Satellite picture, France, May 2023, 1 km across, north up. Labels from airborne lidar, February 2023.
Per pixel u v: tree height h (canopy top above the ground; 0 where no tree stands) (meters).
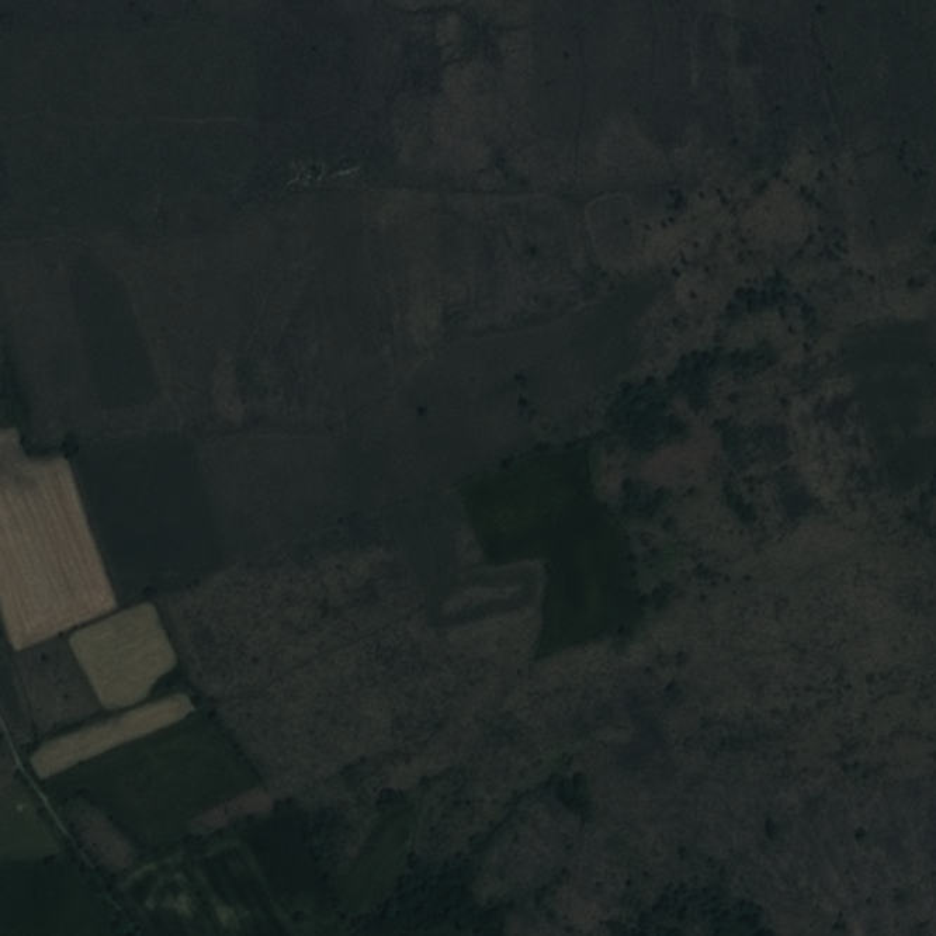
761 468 0
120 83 0
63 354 0
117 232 0
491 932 14
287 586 0
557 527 0
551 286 0
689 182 0
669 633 0
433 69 0
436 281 0
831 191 0
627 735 0
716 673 0
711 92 0
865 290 0
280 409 0
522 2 0
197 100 0
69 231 0
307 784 0
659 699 0
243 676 0
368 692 0
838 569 0
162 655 0
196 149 0
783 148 0
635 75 0
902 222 0
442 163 0
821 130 0
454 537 0
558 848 0
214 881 0
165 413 0
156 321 0
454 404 0
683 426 6
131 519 0
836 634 0
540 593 0
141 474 0
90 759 0
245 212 0
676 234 0
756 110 0
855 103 0
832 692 0
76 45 0
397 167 0
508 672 0
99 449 0
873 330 0
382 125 0
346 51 0
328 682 0
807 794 0
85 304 0
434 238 0
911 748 0
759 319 0
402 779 0
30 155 0
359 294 0
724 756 0
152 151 0
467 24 0
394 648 0
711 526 0
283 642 0
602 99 0
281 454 0
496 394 0
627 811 0
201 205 0
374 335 0
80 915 0
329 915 0
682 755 0
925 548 0
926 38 0
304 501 0
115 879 9
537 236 0
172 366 0
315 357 0
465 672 0
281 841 0
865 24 0
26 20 0
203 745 0
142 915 0
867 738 0
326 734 0
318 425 0
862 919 0
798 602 0
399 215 0
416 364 0
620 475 0
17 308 0
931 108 0
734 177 0
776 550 0
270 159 0
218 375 0
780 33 0
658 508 7
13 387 0
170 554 0
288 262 0
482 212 0
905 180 0
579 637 0
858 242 0
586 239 0
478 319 0
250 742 0
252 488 0
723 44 0
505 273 0
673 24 0
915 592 0
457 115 0
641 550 0
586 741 0
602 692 0
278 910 0
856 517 0
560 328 0
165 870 0
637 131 0
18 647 0
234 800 0
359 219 0
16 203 0
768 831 9
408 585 0
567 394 0
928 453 0
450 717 0
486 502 0
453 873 9
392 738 0
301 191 0
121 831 5
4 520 0
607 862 0
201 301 0
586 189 0
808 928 0
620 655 0
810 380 0
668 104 0
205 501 0
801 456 0
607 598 0
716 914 11
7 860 0
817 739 0
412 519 0
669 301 0
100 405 0
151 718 0
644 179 0
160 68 0
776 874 0
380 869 0
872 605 0
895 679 0
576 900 0
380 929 15
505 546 0
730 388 0
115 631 0
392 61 0
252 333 0
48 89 0
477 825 0
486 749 0
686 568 0
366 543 0
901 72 0
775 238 0
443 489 0
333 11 0
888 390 0
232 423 0
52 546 0
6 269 0
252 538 0
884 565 0
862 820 0
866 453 0
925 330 0
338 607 0
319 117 0
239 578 0
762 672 0
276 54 0
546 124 0
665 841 0
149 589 6
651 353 0
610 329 0
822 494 0
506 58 0
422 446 0
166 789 0
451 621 0
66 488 0
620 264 0
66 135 0
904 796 0
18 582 0
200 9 0
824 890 0
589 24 0
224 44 0
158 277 0
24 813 0
